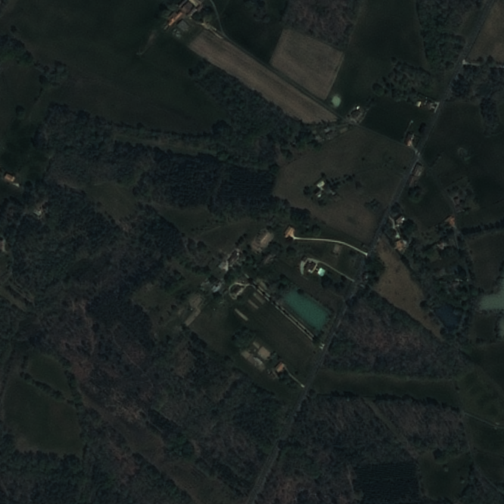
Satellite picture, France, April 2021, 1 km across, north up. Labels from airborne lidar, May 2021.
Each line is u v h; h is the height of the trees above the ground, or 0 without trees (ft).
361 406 53
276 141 64
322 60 0
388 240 63
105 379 21
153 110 0
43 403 0
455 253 20
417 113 0
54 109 61
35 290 49
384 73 0
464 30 0
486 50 0
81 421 32
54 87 24
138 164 74
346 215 0
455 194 22
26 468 45
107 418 0
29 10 0
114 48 0
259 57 0
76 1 0
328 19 30
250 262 34
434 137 0
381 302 70
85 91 0
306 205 0
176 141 34
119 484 46
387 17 0
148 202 50
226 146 49
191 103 0
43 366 0
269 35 0
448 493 0
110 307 68
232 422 68
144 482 77
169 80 0
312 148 47
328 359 35
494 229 53
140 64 0
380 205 23
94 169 39
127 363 20
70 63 0
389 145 0
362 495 55
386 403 49
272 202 53
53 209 54
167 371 59
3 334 47
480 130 0
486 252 0
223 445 39
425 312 50
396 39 0
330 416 38
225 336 0
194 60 0
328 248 0
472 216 0
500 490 56
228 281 50
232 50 0
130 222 33
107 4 0
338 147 0
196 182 62
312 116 0
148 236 43
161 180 74
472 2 33
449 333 45
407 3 0
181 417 41
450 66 47
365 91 0
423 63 0
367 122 0
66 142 40
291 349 0
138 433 18
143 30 0
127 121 0
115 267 28
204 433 57
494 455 0
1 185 0
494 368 0
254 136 57
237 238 0
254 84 0
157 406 55
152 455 22
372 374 57
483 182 0
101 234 44
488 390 0
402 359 19
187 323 0
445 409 45
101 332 59
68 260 30
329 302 0
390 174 0
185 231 0
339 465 45
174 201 34
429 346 44
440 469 0
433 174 0
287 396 0
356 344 19
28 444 0
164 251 62
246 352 24
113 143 57
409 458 46
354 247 0
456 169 0
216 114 0
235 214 62
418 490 31
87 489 51
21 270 51
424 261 25
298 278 0
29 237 49
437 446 71
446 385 0
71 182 51
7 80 0
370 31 0
